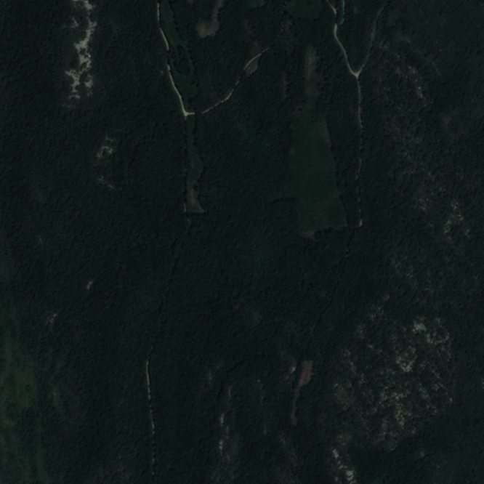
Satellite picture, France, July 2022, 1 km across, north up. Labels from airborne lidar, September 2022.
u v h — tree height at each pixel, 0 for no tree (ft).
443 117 0
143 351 35
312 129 0
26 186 37
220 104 30
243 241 31
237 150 29
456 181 32
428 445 32
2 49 50
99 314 30
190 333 56
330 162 0
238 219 29
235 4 29
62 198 38
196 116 32
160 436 41
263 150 35
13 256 31
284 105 45
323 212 0
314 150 0
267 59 37
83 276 28
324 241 39
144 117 47
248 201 39
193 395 42
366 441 29
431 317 28
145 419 43
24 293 45
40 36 48
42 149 30
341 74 44
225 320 66
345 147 25
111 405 49
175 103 24
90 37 0
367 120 56
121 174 41
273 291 53
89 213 44
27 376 0
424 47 0
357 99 31
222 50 31
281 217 26
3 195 48
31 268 55
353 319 38
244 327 46
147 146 42
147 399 35
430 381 33
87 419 36
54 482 18
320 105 44
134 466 30
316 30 26
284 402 33
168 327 36
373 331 39
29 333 21
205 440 48
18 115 54
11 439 0
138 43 35
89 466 38
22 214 35
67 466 26
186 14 32
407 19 0
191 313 51
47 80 34
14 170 34
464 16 0
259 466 39
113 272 43
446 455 22
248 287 45
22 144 52
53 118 46
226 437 0
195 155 0
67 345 38
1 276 18
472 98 0
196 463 24
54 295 45
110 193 36
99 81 0
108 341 53
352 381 19
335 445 24
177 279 34
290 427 50
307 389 51
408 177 0
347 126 21
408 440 34
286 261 38
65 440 30
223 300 56
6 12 50
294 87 47
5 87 27
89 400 46
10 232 42
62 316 35
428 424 40
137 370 31
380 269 41
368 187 46
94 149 37
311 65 0
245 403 32
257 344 56
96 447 55
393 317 30
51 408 35
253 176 40
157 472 48
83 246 51
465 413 35
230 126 31
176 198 31
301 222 0
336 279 34
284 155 53
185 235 44
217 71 34
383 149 35
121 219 34
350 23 21
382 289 34
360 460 29
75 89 0
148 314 27
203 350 49
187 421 49
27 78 44
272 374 65
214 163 33
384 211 44
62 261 50
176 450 62
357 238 80
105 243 33
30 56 56
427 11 0
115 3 36
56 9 37
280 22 32
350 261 44
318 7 0
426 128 0
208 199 36
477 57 0
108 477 34
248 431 38
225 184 36
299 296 44
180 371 54
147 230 52
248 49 57
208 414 31
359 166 23
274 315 37
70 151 39
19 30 40
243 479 41
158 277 23
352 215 61
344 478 28
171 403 59
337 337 44
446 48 0
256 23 27
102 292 53
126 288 47
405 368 0
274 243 28
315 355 26
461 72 0
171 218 45
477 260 38
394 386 20
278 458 40
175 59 65
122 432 32
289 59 47
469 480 30
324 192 0
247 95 28
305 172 0
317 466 35
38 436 22
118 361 40
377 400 36
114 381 27
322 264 30
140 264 53
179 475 37
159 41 52
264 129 59
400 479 42
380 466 32
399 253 31
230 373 52
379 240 30
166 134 48
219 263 22
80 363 40
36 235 22
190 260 35
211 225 29
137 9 44
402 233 46
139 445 39
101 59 23
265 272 44
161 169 22
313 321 41
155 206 29
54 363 27
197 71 31
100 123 41
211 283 51
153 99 44
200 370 50
